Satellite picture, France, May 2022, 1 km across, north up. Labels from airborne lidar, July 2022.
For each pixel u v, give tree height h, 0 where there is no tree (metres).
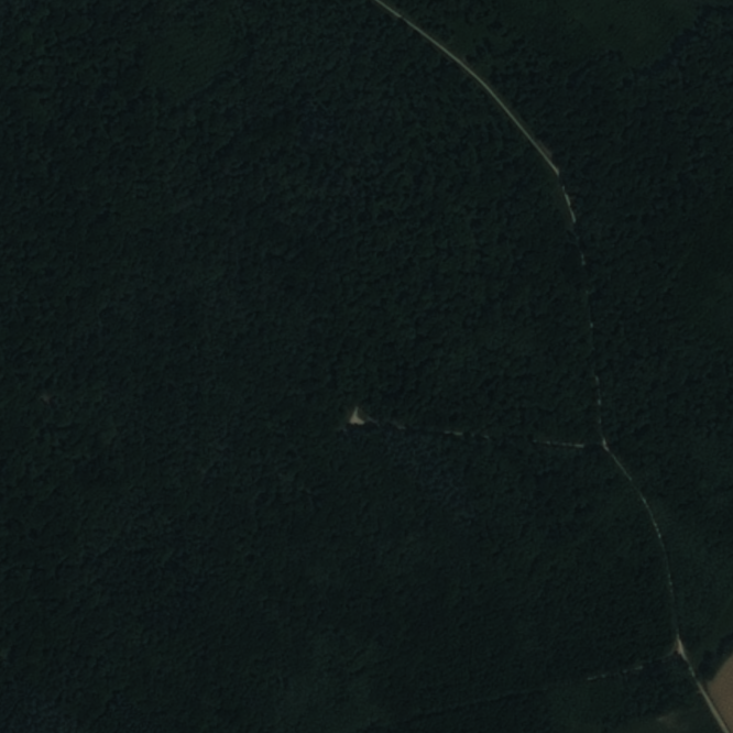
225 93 19
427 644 18
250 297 24
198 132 15
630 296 23
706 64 28
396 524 25
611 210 22
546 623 20
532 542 24
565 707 21
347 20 21
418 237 23
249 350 22
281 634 22
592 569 18
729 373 24
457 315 25
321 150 23
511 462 27
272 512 21
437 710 16
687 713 0
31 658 26
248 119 19
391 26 23
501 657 21
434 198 23
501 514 27
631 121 24
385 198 24
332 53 23
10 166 22
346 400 24
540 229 27
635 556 16
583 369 19
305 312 19
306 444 24
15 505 24
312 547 27
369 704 23
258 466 18
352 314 13
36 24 22
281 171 18
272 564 25
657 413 28
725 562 25
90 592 25
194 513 23
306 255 27
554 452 21
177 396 23
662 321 23
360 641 27
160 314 22
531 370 21
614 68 20
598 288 26
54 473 23
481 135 22
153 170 14
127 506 21
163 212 22
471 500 28
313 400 27
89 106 23
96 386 19
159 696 24
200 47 13
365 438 22
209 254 22
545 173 20
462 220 23
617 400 20
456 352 24
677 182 15
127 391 23
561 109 23
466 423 25
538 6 10
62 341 23
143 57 25
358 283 21
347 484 22
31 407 24
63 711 25
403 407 28
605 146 21
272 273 26
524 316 25
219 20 13
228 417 21
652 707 19
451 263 25
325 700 26
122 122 28
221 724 23
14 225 25
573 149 26
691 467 22
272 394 21
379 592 23
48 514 26
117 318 24
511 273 23
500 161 12
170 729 23
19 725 21
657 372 20
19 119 30
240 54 12
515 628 21
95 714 22
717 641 0
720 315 15
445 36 22
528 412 22
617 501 21
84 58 24
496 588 24
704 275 13
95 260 22
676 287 14
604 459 26
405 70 17
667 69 24
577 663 21
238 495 25
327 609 22
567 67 8
